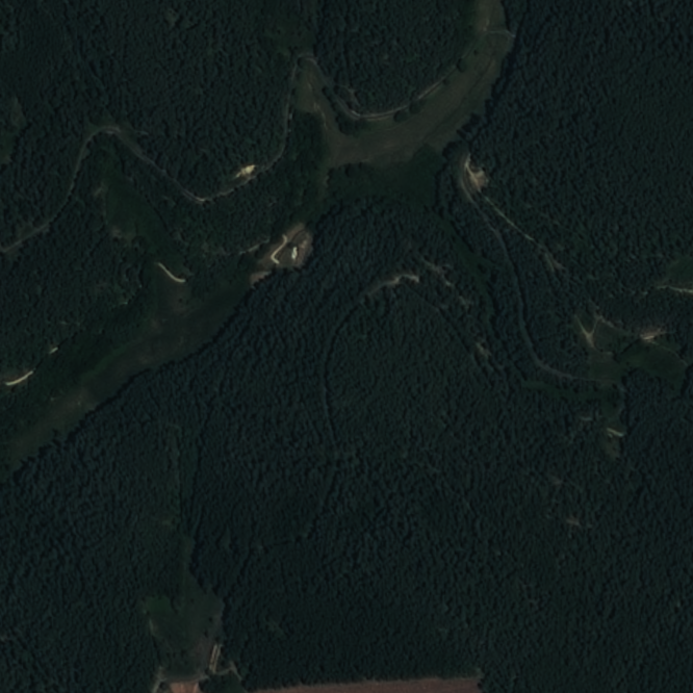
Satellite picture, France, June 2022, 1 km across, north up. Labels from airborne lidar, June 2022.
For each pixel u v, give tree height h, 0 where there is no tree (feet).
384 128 0
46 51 87
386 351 77
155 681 63
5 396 43
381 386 67
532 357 82
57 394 46
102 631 82
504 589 82
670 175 74
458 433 83
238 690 0
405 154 0
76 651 66
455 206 83
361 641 83
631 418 75
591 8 58
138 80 75
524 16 56
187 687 0
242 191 71
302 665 71
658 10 72
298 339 75
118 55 74
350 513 43
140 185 41
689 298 33
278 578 74
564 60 81
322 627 93
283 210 47
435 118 0
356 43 51
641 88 72
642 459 85
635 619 88
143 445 71
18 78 63
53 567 80
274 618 81
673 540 79
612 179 79
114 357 0
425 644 61
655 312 30
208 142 88
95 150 58
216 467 67
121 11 69
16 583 66
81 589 38
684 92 73
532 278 67
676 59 83
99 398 0
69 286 67
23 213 48
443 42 79
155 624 0
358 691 0
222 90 81
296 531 73
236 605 78
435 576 81
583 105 82
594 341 0
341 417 71
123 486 71
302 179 46
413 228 86
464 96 0
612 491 82
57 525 87
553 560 60
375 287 69
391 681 88
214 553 85
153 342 0
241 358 92
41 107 82
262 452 100
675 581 80
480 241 73
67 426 0
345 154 0
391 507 95
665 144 66
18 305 64
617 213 74
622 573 84
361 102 43
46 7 56
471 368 68
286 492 93
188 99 83
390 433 51
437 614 51
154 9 83
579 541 73
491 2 0
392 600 82
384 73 66
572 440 98
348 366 58
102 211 92
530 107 89
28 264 58
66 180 50
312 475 111
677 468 81
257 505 91
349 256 68
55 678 74
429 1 62
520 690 68
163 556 72
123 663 61
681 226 64
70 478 76
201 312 0
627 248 24
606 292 53
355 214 86
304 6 66
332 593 87
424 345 77
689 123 73
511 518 85
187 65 73
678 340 62
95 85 61
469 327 100
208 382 77
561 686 51
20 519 66
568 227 19
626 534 71
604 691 46
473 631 36
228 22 50
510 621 89
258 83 81
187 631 0
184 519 42
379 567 89
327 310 76
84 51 95
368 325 45
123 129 0
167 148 101
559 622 80
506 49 0
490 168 23
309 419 79
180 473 38
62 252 57
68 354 54
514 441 98
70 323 81
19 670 85
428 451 77
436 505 56
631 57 73
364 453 58
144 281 77
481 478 81
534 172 70
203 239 43
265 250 54
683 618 61
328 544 82
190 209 55
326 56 51
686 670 56
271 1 60
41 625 60
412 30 61
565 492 52
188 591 0
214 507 77
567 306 63
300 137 37
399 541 93
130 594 58
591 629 88
